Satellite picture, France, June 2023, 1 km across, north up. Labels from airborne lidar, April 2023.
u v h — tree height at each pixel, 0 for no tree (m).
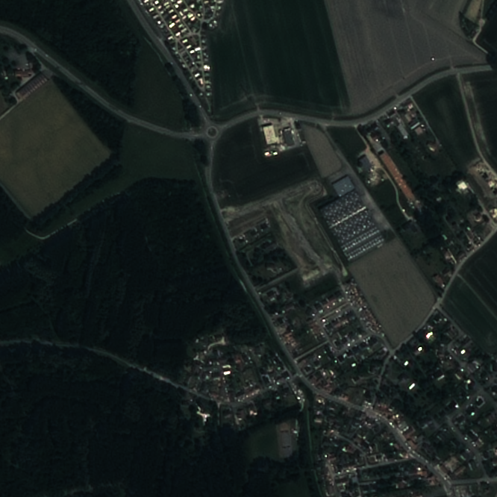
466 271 0
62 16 11
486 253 0
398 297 0
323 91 0
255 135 0
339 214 0
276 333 0
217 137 0
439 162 0
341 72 0
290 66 0
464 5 0
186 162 0
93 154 0
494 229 0
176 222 11
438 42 0
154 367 18
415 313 0
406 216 0
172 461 29
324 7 0
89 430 30
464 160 0
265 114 0
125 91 12
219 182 0
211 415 5
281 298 10
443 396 7
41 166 0
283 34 0
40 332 14
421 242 0
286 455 0
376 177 0
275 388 0
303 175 0
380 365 6
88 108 14
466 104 0
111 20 14
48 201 0
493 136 0
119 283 32
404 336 0
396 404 11
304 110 0
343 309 0
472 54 0
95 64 15
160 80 0
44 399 30
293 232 0
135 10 0
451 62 0
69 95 11
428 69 0
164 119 0
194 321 16
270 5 0
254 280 13
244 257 12
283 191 0
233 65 0
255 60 0
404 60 0
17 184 0
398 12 0
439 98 0
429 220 27
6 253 0
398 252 0
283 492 0
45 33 16
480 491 0
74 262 14
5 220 26
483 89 0
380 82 0
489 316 0
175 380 8
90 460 31
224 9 0
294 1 0
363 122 0
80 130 0
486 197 0
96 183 11
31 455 11
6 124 0
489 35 0
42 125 0
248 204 0
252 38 0
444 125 0
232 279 15
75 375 15
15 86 8
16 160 0
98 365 17
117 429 15
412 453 0
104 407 26
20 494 15
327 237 0
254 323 16
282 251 10
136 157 0
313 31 0
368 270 0
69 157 0
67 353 20
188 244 10
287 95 0
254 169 0
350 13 0
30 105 0
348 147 0
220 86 0
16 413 29
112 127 16
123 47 13
